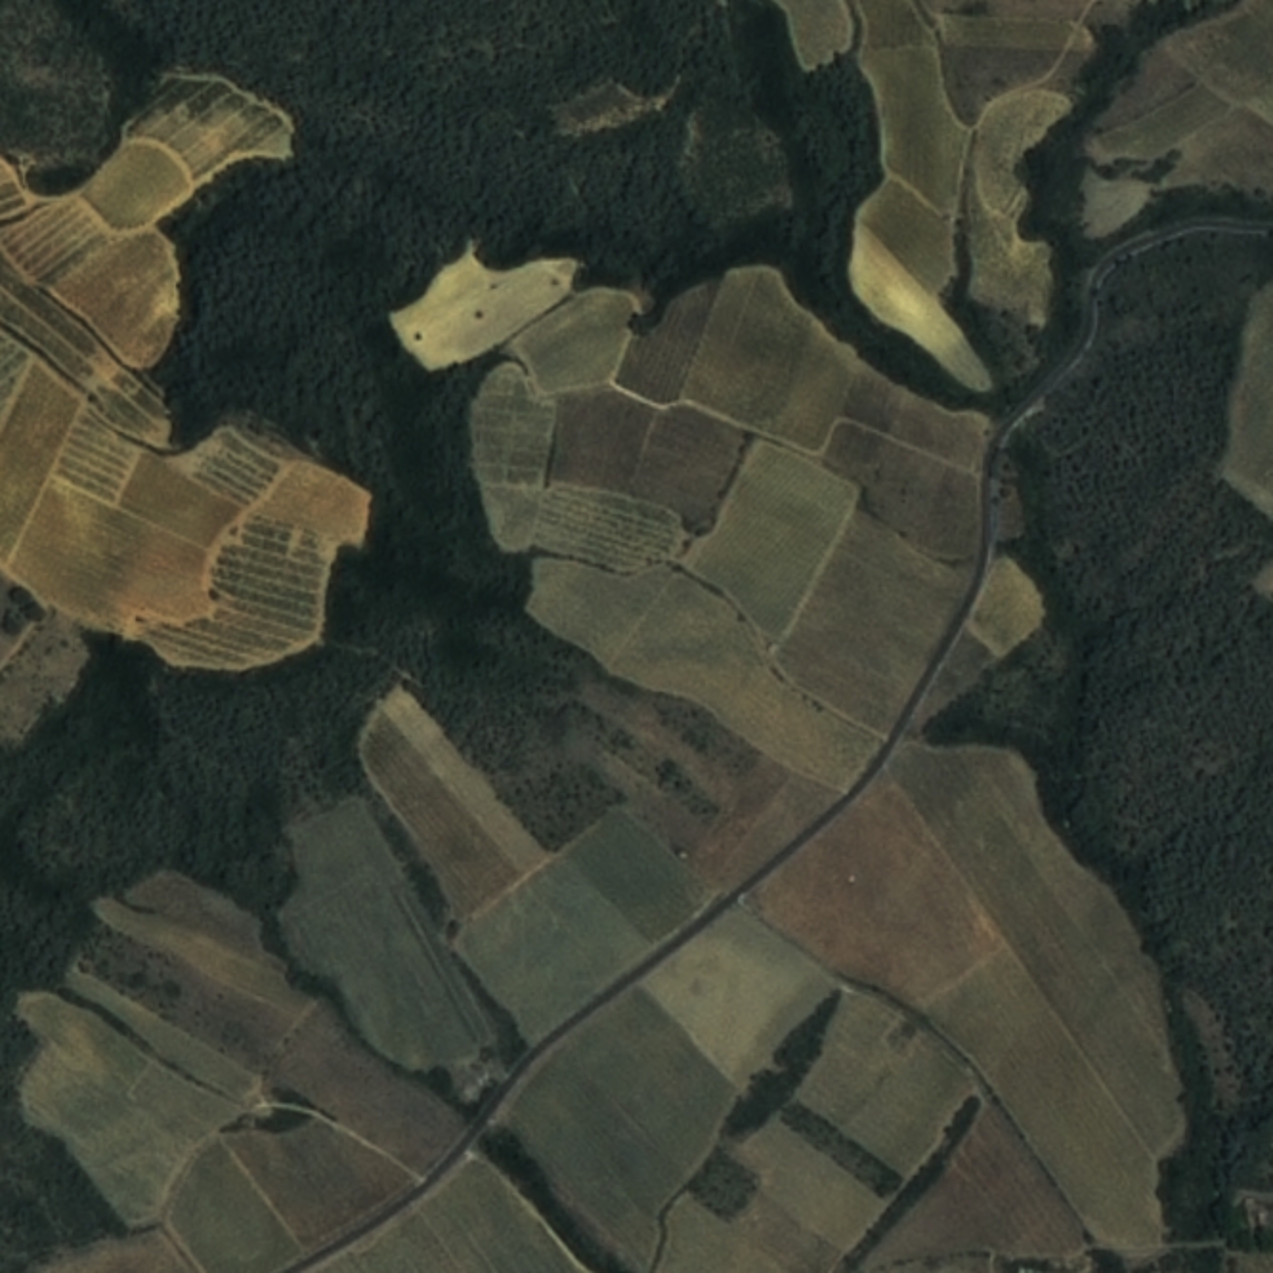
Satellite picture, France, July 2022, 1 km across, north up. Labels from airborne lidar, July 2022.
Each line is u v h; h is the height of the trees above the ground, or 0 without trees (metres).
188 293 9
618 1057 0
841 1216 0
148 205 0
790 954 0
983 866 0
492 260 8
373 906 0
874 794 0
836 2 0
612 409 0
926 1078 0
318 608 0
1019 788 0
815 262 7
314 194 14
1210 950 8
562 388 0
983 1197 0
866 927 0
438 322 0
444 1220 0
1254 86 0
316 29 9
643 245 7
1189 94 0
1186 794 11
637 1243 0
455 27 13
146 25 12
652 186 8
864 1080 0
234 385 9
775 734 0
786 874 0
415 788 0
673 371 0
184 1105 0
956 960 0
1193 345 6
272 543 0
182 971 0
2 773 12
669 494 0
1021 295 0
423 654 9
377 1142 0
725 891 0
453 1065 0
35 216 0
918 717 0
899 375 8
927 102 0
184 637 0
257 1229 0
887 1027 0
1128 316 7
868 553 0
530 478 0
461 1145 0
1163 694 8
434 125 14
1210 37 0
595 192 11
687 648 0
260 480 0
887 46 0
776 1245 0
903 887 0
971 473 0
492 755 9
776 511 0
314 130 12
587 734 0
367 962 0
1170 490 7
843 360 0
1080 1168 0
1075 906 0
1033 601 0
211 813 9
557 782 8
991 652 0
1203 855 10
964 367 0
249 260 12
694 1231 0
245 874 10
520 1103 0
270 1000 0
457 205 16
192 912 0
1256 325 0
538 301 0
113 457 0
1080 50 0
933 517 0
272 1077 0
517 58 9
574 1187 0
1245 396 0
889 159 0
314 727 9
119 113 7
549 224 12
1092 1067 0
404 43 8
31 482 0
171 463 0
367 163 13
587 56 11
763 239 6
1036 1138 0
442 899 0
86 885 9
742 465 0
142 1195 0
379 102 10
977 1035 0
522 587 10
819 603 0
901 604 0
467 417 14
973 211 0
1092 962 0
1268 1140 16
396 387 5
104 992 0
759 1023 0
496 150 10
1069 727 7
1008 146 0
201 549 0
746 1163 0
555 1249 0
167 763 8
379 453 10
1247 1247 20
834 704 0
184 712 11
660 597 0
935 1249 0
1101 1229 0
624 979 0
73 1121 0
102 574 0
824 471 0
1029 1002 0
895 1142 0
